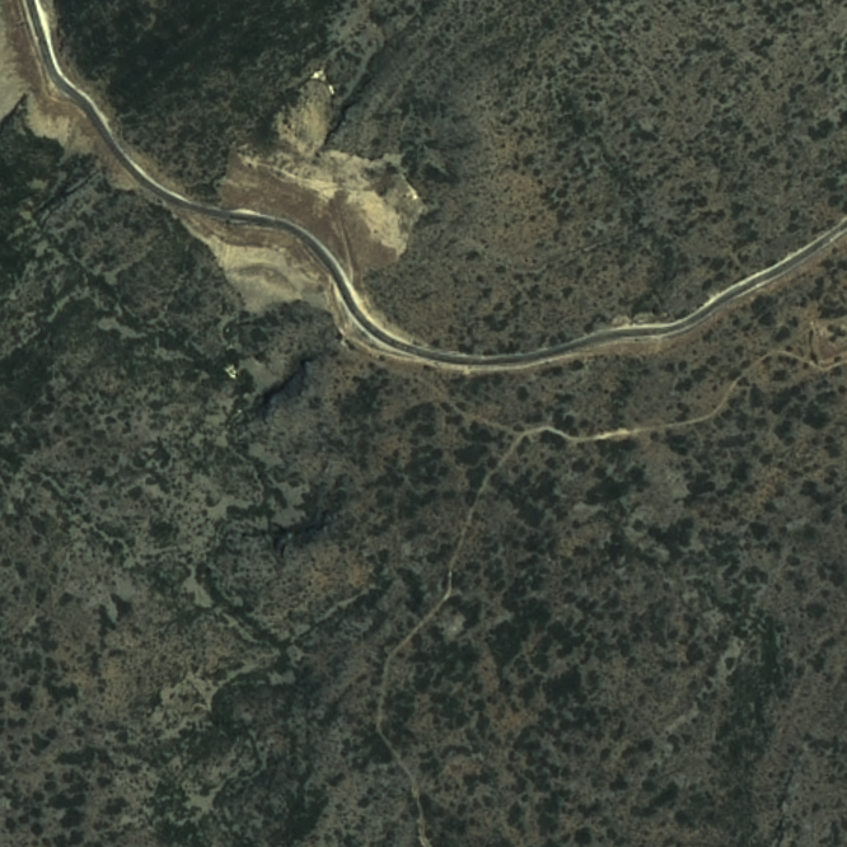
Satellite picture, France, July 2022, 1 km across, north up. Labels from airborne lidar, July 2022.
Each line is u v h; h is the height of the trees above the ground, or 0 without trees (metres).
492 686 0
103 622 0
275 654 0
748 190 0
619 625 0
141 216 0
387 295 0
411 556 0
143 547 0
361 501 0
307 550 0
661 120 0
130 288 0
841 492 0
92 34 0
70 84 0
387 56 0
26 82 0
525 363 0
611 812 0
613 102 0
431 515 0
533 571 0
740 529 0
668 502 0
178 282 0
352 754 0
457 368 0
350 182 0
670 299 0
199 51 0
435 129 0
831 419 0
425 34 0
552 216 0
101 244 0
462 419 0
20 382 0
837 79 0
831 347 0
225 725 10
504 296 0
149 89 0
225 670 8
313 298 0
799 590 0
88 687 0
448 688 0
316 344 0
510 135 0
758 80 0
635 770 0
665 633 0
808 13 0
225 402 0
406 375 0
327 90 0
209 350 0
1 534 0
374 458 0
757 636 0
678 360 0
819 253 0
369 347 0
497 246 0
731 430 0
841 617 0
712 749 0
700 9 0
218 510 0
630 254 0
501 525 0
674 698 0
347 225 0
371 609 0
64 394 0
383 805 0
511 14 0
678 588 0
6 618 0
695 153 0
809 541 0
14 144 0
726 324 0
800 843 0
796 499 0
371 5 0
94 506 0
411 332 0
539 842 0
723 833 0
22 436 0
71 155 0
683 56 0
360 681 0
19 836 0
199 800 0
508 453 0
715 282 0
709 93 0
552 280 0
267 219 0
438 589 0
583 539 0
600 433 0
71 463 0
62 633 0
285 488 0
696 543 0
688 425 0
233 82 0
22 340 0
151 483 0
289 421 0
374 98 0
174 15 0
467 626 0
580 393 0
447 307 0
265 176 0
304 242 0
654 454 0
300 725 0
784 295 0
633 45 0
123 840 0
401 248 0
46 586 0
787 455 0
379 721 0
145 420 0
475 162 0
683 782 0
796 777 0
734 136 0
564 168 0
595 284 0
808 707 0
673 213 0
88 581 0
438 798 0
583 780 0
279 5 0
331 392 0
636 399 0
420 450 0
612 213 0
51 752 0
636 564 0
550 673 0
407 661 0
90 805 0
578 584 0
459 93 0
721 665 0
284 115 0
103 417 0
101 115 0
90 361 0
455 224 0
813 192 0
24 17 0
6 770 0
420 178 0
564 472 0
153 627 0
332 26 0
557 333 0
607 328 0
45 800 0
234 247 0
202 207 0
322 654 0
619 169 0
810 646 0
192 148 0
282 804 0
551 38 0
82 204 0
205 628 0
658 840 0
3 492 0
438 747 0
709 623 0
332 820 0
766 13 0
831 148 0
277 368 0
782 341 0
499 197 0
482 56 0
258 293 0
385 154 0
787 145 0
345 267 0
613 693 0
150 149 0
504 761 0
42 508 0
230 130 0
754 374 0
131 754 0
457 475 0
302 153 0
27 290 0
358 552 0
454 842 0
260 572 0
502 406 0
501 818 0
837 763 0
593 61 0
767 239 0
